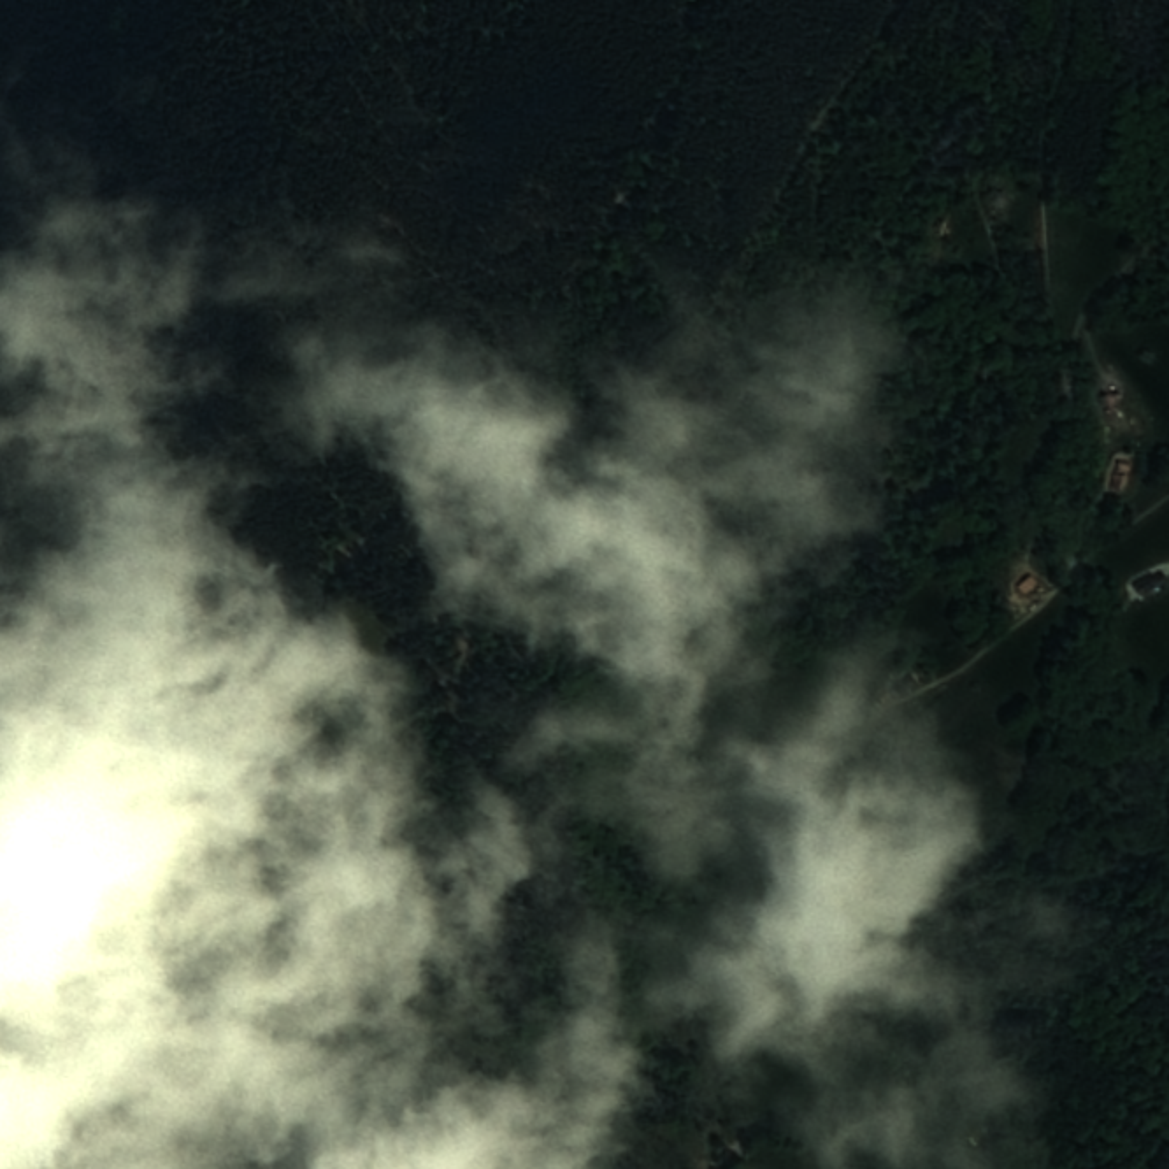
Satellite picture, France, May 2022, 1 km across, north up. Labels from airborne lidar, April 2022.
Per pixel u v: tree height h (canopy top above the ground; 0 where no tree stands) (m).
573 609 15
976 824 0
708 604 22
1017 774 0
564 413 31
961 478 22
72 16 32
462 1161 0
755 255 8
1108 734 23
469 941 27
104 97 30
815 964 0
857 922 0
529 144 20
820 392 10
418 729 17
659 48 22
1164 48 27
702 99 29
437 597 32
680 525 26
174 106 27
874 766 0
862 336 10
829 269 12
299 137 16
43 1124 0
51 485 19
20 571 12
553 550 27
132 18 27
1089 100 18
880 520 20
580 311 27
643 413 7
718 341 31
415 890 25
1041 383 18
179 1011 0
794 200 11
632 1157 0
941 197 21
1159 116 27
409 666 25
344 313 28
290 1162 0
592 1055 8
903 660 16
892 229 13
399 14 18
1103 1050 30
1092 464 18
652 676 21
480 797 25
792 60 27
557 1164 0
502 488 28
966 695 0
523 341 29
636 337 26
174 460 22
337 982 0
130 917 0
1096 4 22
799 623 27
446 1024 0
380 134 19
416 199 17
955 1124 22
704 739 0
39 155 30
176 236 23
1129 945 28
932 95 9
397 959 19
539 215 23
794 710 0
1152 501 0
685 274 24
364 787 0
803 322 12
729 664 0
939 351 15
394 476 28
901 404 14
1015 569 0
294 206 23
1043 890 21
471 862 33
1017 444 0
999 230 9
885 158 9
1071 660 24
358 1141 0
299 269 18
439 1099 0
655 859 27
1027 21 21
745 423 15
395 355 26
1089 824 11
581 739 28
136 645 17
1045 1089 23
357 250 18
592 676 27
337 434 23
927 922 19
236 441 22
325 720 0
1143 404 0
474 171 19
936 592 0
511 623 32
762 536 27
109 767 0
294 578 24
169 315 19
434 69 18
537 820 26
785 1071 0
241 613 23
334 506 22
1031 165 19
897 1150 0
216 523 22
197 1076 0
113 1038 0
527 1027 22
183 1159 11
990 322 26
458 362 24
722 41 33
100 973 0
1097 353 0
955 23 22
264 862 0
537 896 32
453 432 28
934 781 0
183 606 23
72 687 22
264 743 23
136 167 28
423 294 27
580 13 24
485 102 21
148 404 21
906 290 23
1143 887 27
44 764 0
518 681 32
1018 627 0
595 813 28
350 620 0
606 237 17
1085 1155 25
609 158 27
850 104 15
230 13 15
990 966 20
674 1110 22
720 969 10
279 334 21
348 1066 0
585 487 24
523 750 31
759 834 0
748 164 26
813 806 0
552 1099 24
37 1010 0
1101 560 0
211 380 20
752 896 0
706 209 26
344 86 22
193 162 26
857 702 8
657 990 12
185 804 0
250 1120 0
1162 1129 30
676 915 29
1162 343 0
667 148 27
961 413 29
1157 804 27
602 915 29
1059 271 0
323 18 19
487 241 19
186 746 20
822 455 8
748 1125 0
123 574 20
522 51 22
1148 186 26
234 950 0
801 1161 0
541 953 15
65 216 32
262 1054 0
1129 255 18
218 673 25
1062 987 27
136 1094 0
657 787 30
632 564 30
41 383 22
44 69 25
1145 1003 28
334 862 0
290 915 0
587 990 24
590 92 22
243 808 0
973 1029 15
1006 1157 24
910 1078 9
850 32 22
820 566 27
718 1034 14
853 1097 0
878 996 0
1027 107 17
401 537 26
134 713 20
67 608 18
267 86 22
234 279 27
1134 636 0
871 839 0
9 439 20
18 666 20
